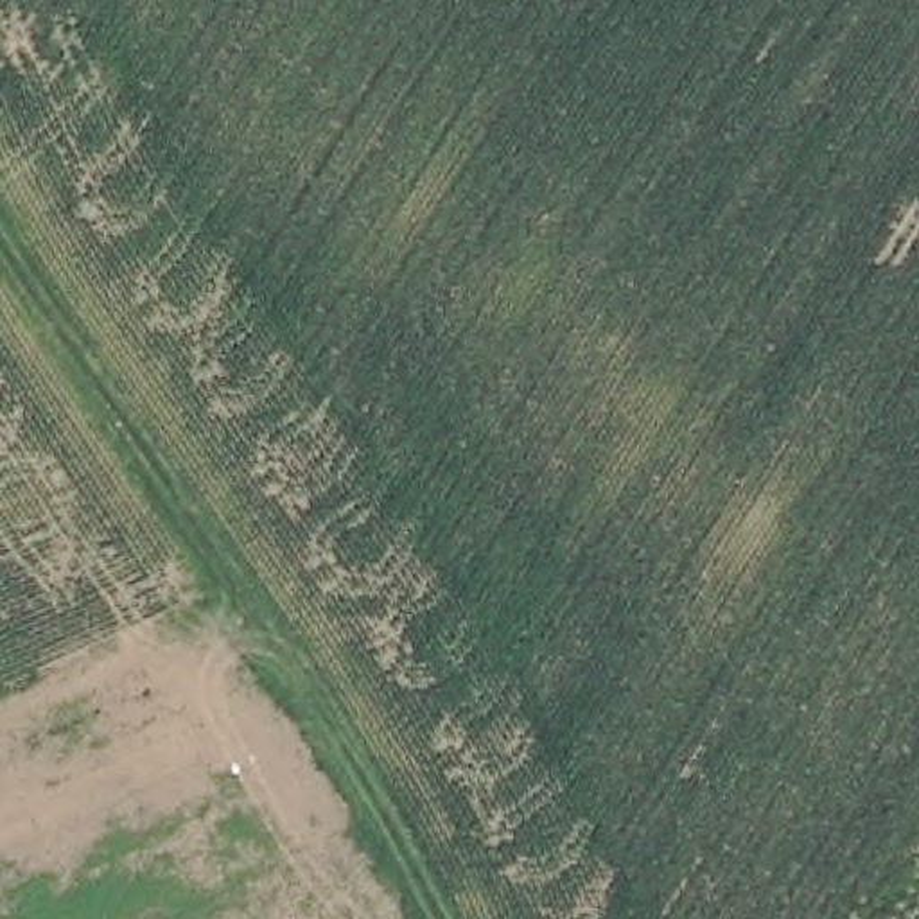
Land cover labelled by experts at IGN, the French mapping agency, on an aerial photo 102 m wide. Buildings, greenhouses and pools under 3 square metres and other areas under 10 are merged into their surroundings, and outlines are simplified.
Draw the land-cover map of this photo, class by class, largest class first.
<instances>
[{"label":"agricultural land","instance_id":"1","mask_svg":"<svg viewBox=\"0 0 919 919\"><path fill-rule=\"evenodd\" d=\"M0 194L22 219L32 251L57 280L65 302L97 337L104 363L126 384L129 406H136L162 434V467L183 470L201 488L223 535H230V542L258 571L262 585L280 603L284 617L294 621L316 643L309 653L312 664L323 671L330 696L352 711L348 725L373 754L388 797L395 801L416 847L434 869L438 887L449 897H460L463 919H919V0H0ZM179 542L162 528L144 492L129 481L115 449L101 442L86 409L79 406V395L39 348L32 327L18 312V298L0 280V700L29 693L39 682L43 661H54L57 653L79 643H86L97 657L115 653V628L144 625L151 617L154 632L172 643L194 635V628L205 625L208 610L197 603V578L179 567ZM101 707H86L83 696H72L65 704H54L50 714H32L25 732L29 750H43L61 765L75 754V747H111L108 736L93 729ZM215 790H208L201 801L179 804L176 811L162 815L144 829H126L118 818H108L104 836L93 840V847L79 858L75 872L57 869L29 876L18 862L0 858V919H402L398 901L384 890V883H377V876L370 872V858L352 844L348 829H337L327 840L323 854L309 844H294L284 833H269L248 804L241 779L233 772H215Z\"/></svg>","mask_w":919,"mask_h":919},{"label":"plowed land","instance_id":"2","mask_svg":"<svg viewBox=\"0 0 919 919\"><path fill-rule=\"evenodd\" d=\"M115 653L97 657L86 643H79L57 653L54 661H43L39 682L29 693L0 700V858L18 862L29 876L57 869L75 872L79 858L93 847V840L104 836L108 818H118L126 829H144L162 815L176 811L179 804L201 801L208 790H215V772H233L241 779L248 804L269 833H284L294 844H309L323 854L327 840L337 829H348L345 801L312 765V754L302 743L294 722L273 707V700L258 686H244L237 678V657L230 643L205 625L194 628V635L172 643L154 632L151 617L144 625L115 628ZM72 696H83L86 707H101L93 729L108 736L111 747H75V754L61 765L43 750H29L25 732L32 714H50L54 704H65Z\"/></svg>","mask_w":919,"mask_h":919},{"label":"herbaceous vegetation","instance_id":"3","mask_svg":"<svg viewBox=\"0 0 919 919\"><path fill-rule=\"evenodd\" d=\"M0 280L18 298V312L32 327L39 348L79 395V406L86 409L101 442L115 449L129 481L144 492L162 528L179 542V567L197 578V603L208 610L205 625L230 643L237 657V678L244 686H258L273 700V707L294 722L302 743L312 754V765L345 801L348 829L352 844L370 858V872L377 876V883H384V890L398 901L402 919H463L460 897H449L438 887L434 869L416 847L395 801L388 797L373 754L348 725L352 711L330 696L323 671L312 664L309 653L316 643L294 621L284 617L280 603L262 585L258 571L230 542V535H223L201 488L183 470L162 467V434L136 406H129L126 384L104 363L97 337L65 302L57 280L32 251L22 219L0 194Z\"/></svg>","mask_w":919,"mask_h":919}]
</instances>
